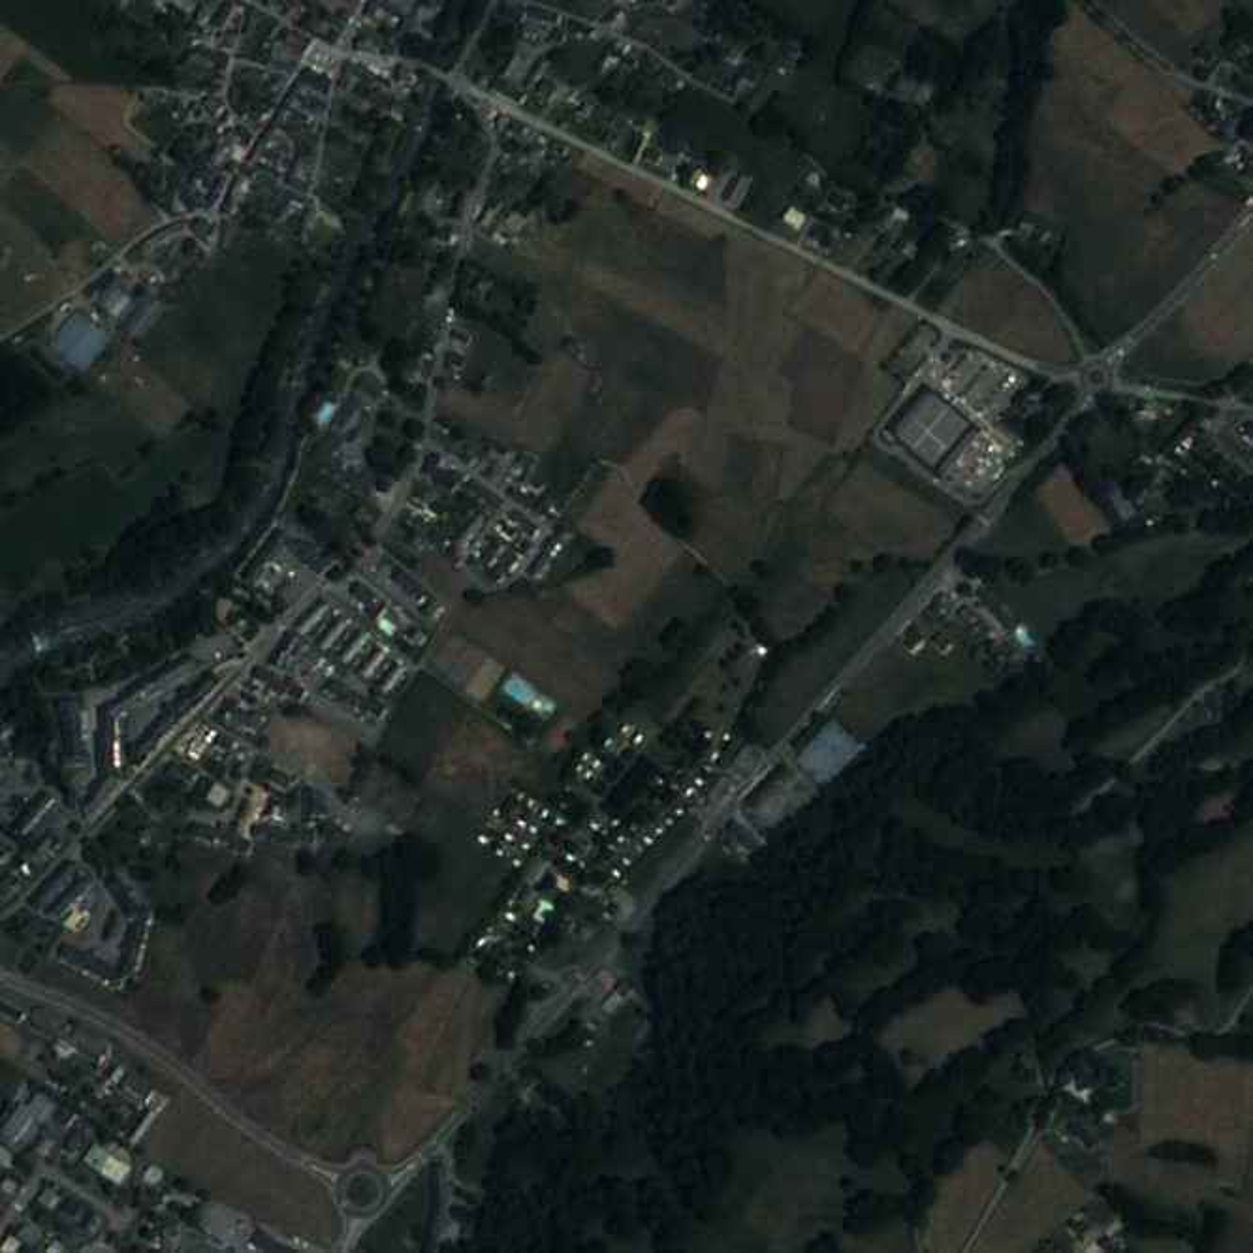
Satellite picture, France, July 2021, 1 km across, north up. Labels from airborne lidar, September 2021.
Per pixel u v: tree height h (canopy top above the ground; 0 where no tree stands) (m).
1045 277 8
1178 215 0
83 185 0
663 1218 34
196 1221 16
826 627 16
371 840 0
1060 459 6
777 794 0
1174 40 0
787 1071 22
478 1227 8
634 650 0
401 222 21
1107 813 28
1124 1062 0
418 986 0
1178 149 0
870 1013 19
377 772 0
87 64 0
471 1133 14
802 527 0
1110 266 0
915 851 15
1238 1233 0
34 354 8
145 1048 0
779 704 0
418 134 0
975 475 0
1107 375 0
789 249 0
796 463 0
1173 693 18
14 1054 0
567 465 0
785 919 16
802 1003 23
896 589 0
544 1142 25
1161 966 0
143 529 13
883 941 26
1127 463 6
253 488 26
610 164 0
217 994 10
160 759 0
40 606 12
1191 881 0
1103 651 0
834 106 0
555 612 0
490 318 11
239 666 0
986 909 21
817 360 0
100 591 7
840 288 0
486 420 0
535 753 0
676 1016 16
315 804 0
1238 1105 0
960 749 22
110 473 0
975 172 7
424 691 0
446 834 0
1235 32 10
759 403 0
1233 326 0
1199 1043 21
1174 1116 0
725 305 0
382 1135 0
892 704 0
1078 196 0
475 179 6
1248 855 0
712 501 0
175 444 0
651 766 10
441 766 0
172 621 12
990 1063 16
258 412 23
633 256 0
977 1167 0
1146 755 0
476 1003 0
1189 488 12
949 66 9
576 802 12
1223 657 10
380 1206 0
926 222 8
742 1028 16
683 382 0
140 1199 8
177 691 0
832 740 0
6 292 0
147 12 0
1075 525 0
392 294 0
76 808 11
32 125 0
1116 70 0
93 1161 0
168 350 0
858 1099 23
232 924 0
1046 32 19
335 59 0
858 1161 23
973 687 0
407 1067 0
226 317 0
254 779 6
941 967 22
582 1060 0
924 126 14
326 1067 0
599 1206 28
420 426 15
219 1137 0
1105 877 0
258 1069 0
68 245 0
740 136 0
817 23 0
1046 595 0
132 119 0
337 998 0
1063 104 0
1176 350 0
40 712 18
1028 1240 0
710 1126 20
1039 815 17
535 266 0
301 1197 0
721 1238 0
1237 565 19
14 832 6
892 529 0
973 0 0
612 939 0
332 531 0
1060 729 0
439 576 0
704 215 0
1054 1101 10
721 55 21
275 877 0
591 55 0
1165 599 0
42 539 0
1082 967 0
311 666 0
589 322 0
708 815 0
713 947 18
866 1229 17
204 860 0
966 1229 0
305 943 0
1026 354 0
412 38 14
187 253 8
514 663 0
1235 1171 0
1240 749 0
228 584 10
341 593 0
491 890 0
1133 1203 11
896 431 0
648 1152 0
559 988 0
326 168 0
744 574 0
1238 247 0
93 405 0
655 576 0
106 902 0
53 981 0
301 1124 0
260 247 0
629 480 0
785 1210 0
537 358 13
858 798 14
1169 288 0
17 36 0
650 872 0
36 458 0
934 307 0
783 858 14
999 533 0
